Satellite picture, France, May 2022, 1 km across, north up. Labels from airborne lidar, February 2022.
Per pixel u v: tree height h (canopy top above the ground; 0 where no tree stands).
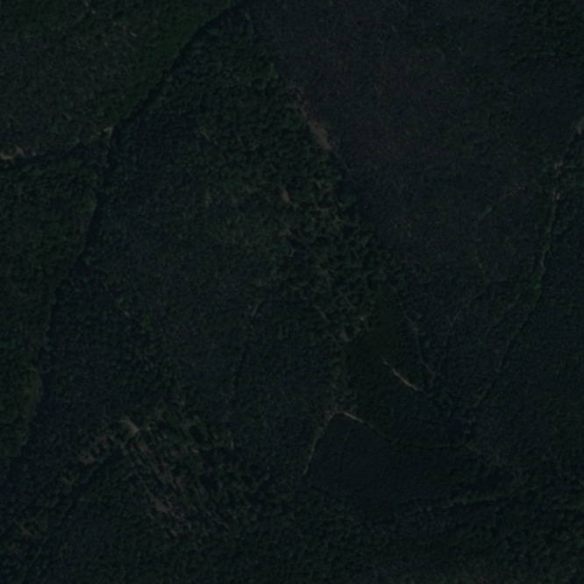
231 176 31
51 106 31
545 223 28
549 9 23
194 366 26
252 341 24
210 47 26
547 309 24
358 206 36
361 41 22
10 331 39
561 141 21
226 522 33
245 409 25
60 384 29
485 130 22
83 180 30
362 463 13
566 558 25
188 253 28
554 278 23
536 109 21
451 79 22
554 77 24
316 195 35
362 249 33
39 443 24
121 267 29
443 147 22
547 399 22
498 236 21
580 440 22
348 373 14
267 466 29
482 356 24
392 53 21
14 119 24
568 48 25
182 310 25
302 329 30
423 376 8
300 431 13
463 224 21
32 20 27
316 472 12
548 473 29
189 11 22
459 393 26
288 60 24
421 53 21
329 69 24
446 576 23
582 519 26
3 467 39
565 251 24
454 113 22
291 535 26
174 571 26
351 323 33
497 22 21
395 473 13
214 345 26
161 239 28
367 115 20
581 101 22
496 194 20
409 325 8
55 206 25
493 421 24
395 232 27
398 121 21
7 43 25
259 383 27
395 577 21
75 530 24
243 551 20
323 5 21
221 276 26
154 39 28
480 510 21
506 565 22
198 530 34
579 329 23
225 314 28
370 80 20
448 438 13
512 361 26
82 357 29
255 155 31
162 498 29
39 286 24
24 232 22
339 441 13
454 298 25
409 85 24
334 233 32
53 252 32
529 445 22
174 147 26
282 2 21
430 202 23
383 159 20
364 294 33
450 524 19
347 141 19
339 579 20
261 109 23
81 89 30
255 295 26
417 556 19
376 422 14
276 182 27
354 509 10
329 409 24
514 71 22
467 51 21
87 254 31
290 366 26
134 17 31
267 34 27
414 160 23
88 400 28
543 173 19
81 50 23
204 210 29
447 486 10
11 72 25
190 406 29
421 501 16
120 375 28
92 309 25
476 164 20
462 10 22
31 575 28
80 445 25
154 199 27
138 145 28
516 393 25
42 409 14
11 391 35
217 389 27
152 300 30
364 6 20
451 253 23
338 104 22
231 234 28
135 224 27
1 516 36
